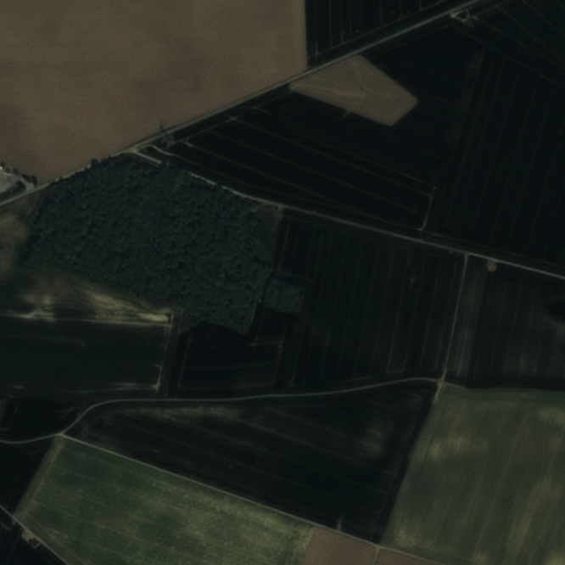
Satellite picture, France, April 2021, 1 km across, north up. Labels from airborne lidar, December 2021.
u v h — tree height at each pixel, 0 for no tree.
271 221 0
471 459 0
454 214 0
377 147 0
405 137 0
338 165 0
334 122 0
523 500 0
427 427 0
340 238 0
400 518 0
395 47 0
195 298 20
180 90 0
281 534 0
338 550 0
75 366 0
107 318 0
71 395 0
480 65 0
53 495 0
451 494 0
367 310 0
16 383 0
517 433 0
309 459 0
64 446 0
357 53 0
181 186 16
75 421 0
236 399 0
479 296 0
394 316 0
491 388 0
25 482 0
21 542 0
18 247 0
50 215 18
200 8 0
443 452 0
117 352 0
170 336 0
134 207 21
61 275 0
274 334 0
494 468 0
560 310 0
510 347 0
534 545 0
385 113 0
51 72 0
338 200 0
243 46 0
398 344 0
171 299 17
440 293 0
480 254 0
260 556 0
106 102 0
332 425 0
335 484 0
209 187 14
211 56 0
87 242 24
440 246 0
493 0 0
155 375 0
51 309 0
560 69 0
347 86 0
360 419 0
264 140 0
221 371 0
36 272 0
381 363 0
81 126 0
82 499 0
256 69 0
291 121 0
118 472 0
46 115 0
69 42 0
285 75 0
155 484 0
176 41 0
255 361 0
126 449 0
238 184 0
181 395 0
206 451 0
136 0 0
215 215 19
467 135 0
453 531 0
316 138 0
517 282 0
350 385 0
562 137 0
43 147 0
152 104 0
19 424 0
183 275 23
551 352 0
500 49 0
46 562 0
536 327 0
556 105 0
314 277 0
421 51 0
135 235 21
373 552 0
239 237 21
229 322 11
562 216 0
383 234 0
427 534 0
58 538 0
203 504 0
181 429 0
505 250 0
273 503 0
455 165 0
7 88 0
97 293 0
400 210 0
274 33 0
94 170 15
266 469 0
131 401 0
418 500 0
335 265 0
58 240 21
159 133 0
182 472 0
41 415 0
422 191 0
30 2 0
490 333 0
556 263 0
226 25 0
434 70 0
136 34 0
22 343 0
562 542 0
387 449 0
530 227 0
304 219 0
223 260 21
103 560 0
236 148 0
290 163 0
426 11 0
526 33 0
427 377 0
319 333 0
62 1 0
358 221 0
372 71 0
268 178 0
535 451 0
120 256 21
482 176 0
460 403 0
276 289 17
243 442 0
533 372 0
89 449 0
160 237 16
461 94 0
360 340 0
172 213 14
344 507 0
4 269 0
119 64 0
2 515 0
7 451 0
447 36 0
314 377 0
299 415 0
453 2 0
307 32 0
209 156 0
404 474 0
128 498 0
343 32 0
